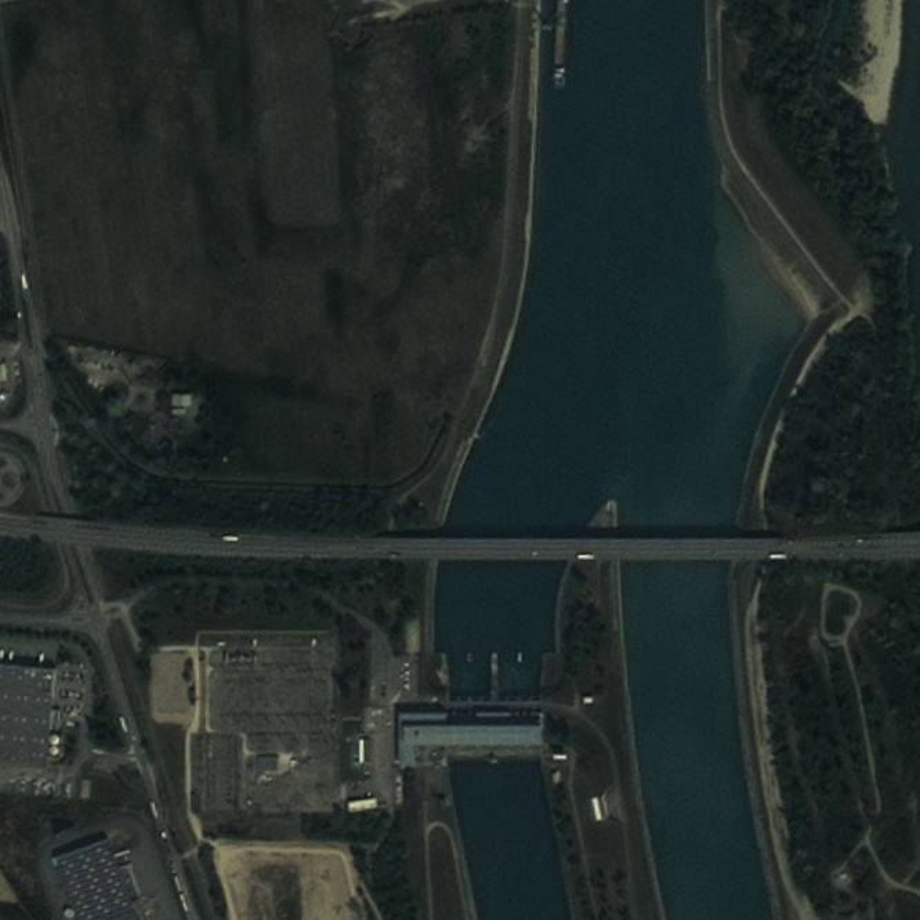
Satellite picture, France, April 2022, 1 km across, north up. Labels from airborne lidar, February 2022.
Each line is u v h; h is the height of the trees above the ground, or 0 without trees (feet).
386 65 0
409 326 0
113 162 0
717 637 0
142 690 0
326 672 0
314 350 0
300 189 0
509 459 0
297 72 0
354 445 0
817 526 0
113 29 0
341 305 0
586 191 0
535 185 0
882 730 24
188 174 0
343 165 0
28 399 0
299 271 0
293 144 0
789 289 0
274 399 0
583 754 0
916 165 0
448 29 0
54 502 0
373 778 0
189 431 0
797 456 48
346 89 0
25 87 0
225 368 0
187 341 0
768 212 0
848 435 51
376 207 0
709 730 0
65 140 0
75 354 0
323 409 0
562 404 0
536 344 0
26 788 0
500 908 0
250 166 0
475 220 0
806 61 52
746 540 0
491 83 0
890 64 0
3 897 0
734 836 0
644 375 0
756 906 0
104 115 0
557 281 0
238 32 0
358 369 0
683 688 0
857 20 40
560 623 0
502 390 0
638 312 0
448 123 0
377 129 0
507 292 0
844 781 0
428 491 0
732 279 0
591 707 0
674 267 0
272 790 0
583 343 0
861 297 0
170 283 0
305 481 0
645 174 0
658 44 0
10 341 0
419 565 0
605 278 0
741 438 0
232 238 0
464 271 0
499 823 0
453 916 0
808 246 0
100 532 0
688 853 0
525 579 0
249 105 0
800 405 45
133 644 0
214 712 0
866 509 65
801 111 79
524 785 0
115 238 0
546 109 0
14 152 0
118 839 0
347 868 0
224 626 0
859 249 0
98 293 0
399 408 0
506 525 0
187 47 0
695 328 0
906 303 39
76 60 0
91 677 0
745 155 0
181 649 0
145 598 0
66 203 0
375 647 0
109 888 0
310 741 0
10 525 0
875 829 37
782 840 0
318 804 0
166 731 0
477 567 0
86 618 0
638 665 0
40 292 0
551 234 0
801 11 0
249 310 0
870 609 0
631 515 0
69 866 0
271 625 0
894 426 68
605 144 0
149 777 0
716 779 0
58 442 0
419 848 0
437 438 0
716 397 0
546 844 0
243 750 0
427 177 0
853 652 0
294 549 0
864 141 78
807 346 0
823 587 0
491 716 0
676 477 0
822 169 92
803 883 65
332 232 0
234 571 19
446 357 0
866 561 24
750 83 63
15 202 0
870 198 91
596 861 0
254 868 0
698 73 0
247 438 0
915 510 63
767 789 0
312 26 0
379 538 0
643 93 0
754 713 0
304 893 0
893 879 0
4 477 0
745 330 0
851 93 0
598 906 0
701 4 0
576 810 0
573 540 0
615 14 0
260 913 0
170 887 0
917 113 0
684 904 0
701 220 0
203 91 0
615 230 0
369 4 0
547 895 0
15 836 0
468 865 0
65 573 0
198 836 0
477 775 0
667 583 0
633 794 0
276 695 0
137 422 26
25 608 0
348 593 37
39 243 0
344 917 0
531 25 0
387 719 0
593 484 0
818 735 29
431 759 0
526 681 0
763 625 37
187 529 0
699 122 0
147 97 0
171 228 0
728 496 0
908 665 27
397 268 0
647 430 0
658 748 0
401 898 24
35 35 0
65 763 21
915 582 49
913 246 0
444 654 0
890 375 60
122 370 0
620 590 0
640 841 0
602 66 0
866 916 50
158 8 0
